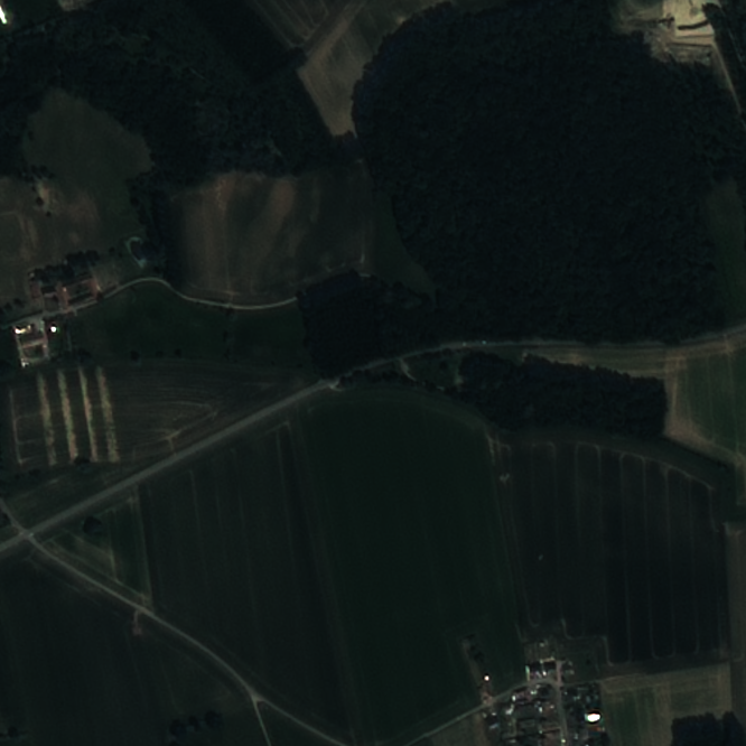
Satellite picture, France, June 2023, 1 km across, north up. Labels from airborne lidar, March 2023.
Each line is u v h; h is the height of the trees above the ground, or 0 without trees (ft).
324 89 0
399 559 0
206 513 0
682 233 79
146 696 0
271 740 0
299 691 0
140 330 0
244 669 0
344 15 0
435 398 0
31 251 0
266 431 0
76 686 0
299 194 0
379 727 0
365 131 78
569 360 0
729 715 0
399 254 0
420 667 0
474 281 80
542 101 60
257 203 0
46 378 0
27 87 64
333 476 0
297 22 0
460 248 73
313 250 0
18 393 0
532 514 0
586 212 67
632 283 87
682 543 0
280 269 0
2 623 0
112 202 0
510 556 0
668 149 83
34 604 0
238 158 46
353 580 0
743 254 0
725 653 0
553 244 88
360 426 0
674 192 78
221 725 28
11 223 0
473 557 0
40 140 0
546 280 90
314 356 21
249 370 0
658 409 69
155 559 0
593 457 0
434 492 0
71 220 0
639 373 0
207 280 0
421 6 0
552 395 93
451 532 0
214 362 0
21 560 0
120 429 0
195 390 0
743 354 0
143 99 43
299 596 0
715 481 0
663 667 0
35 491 0
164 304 0
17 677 0
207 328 0
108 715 0
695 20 0
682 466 0
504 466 0
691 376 0
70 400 0
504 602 0
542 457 0
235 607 0
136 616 0
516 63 27
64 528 0
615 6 0
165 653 0
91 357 31
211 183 0
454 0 0
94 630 0
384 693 0
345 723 0
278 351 0
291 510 0
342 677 0
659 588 0
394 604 0
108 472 0
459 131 71
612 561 0
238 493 0
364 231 0
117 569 0
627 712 0
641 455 0
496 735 0
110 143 0
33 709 0
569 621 0
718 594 0
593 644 0
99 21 56
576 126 73
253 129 39
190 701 0
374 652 0
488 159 86
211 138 18
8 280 0
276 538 0
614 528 0
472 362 55
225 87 32
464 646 0
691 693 0
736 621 0
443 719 0
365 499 0
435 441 0
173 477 0
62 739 0
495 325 74
